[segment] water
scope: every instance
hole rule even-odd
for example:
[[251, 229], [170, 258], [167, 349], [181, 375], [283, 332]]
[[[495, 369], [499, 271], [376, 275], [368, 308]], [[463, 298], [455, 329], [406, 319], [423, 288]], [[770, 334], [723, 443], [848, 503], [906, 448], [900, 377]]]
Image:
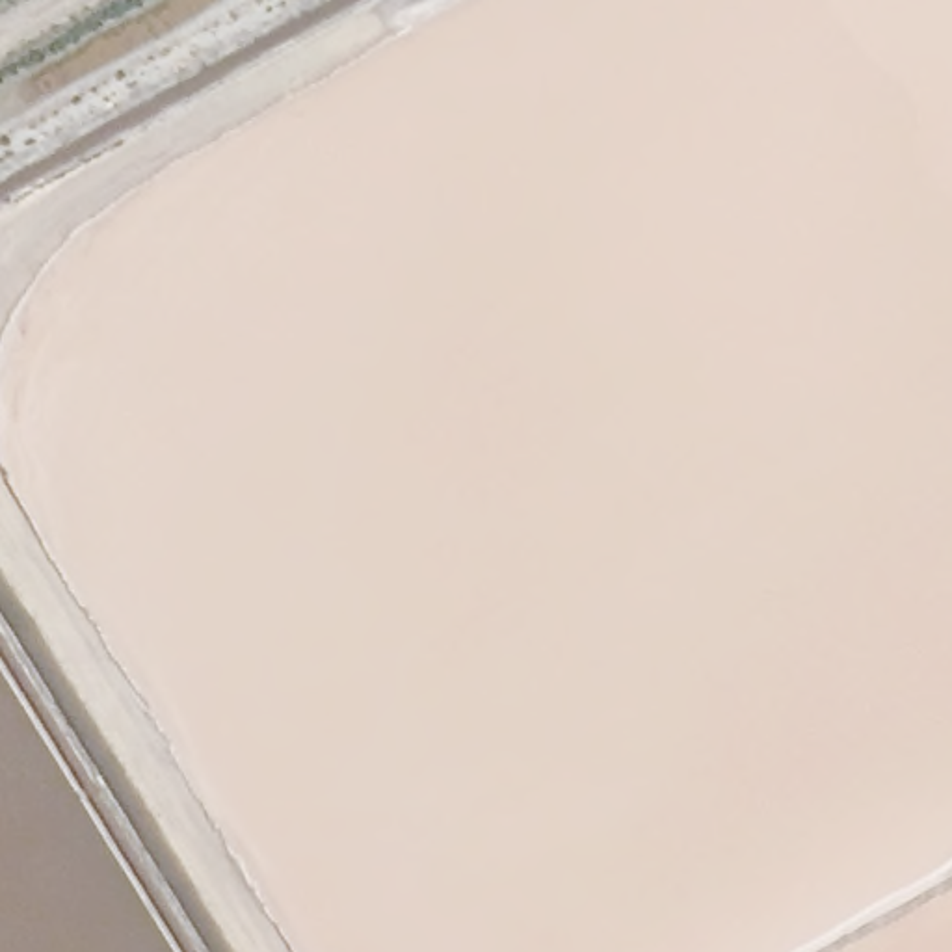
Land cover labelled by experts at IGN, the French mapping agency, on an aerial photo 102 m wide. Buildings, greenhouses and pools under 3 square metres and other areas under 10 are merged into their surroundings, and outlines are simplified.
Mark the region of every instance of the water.
[[182, 863], [167, 848], [160, 826], [152, 822], [149, 807], [141, 803], [138, 788], [130, 785], [126, 770], [119, 766], [115, 751], [100, 736], [71, 681], [63, 677], [60, 662], [52, 658], [41, 628], [33, 625], [33, 617], [0, 573], [0, 614], [19, 636], [26, 658], [33, 662], [37, 677], [56, 699], [63, 721], [71, 725], [82, 751], [112, 788], [115, 803], [130, 818], [138, 840], [152, 855], [156, 870], [171, 885], [175, 900], [182, 904], [186, 919], [193, 922], [208, 952], [231, 952], [208, 907], [201, 904], [193, 881], [186, 878]]
[[874, 919], [818, 952], [952, 952], [952, 893], [930, 900], [926, 907], [904, 915], [893, 926], [885, 919]]
[[108, 19], [97, 33], [86, 33], [78, 45], [45, 56], [26, 71], [26, 93], [41, 100], [45, 93], [104, 67], [108, 60], [126, 56], [130, 48], [182, 26], [216, 0], [156, 0], [145, 11], [134, 7], [119, 19]]
[[156, 89], [149, 100], [112, 112], [100, 126], [63, 141], [48, 156], [0, 179], [0, 205], [11, 201], [19, 190], [63, 171], [67, 164], [93, 156], [112, 138], [156, 119], [171, 104], [223, 82], [238, 67], [249, 67], [271, 48], [346, 15], [361, 0], [320, 0], [275, 22], [271, 30], [249, 37], [234, 52], [201, 63], [197, 71], [179, 71], [179, 78]]
[[402, 41], [390, 41], [379, 52], [357, 45], [353, 52], [346, 52], [350, 63], [338, 67], [331, 82], [320, 82], [320, 74], [305, 78], [301, 97], [283, 97], [283, 104], [271, 115], [171, 164], [149, 186], [108, 205], [93, 219], [86, 238], [67, 238], [67, 245], [41, 268], [33, 290], [11, 312], [11, 324], [0, 342], [0, 368], [7, 402], [4, 465], [22, 502], [30, 506], [52, 558], [60, 562], [60, 573], [71, 573], [78, 588], [104, 595], [119, 628], [141, 647], [141, 655], [171, 669], [167, 692], [175, 695], [197, 740], [197, 755], [208, 770], [212, 788], [227, 803], [216, 814], [216, 822], [223, 826], [227, 844], [242, 863], [249, 885], [260, 893], [283, 933], [290, 933], [298, 952], [788, 952], [792, 945], [822, 933], [855, 907], [878, 900], [896, 885], [907, 885], [911, 878], [926, 874], [930, 866], [952, 855], [952, 0], [461, 0], [431, 19], [420, 19]]
[[0, 952], [167, 952], [0, 681]]

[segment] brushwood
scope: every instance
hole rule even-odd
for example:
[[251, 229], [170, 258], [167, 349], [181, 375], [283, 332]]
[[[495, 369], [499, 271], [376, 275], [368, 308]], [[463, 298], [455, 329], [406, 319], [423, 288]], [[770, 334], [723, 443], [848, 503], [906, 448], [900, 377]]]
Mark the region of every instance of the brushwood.
[[26, 71], [45, 56], [78, 45], [86, 33], [97, 33], [108, 19], [119, 19], [134, 7], [145, 11], [156, 0], [104, 0], [74, 15], [67, 26], [52, 26], [45, 37], [33, 37], [0, 60], [0, 86], [11, 74]]

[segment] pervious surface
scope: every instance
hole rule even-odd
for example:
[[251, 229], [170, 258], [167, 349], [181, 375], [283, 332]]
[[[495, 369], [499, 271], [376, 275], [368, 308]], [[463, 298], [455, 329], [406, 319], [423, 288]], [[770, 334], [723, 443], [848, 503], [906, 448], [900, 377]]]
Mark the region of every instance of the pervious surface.
[[63, 721], [56, 699], [37, 677], [33, 662], [26, 658], [19, 636], [0, 614], [0, 681], [167, 952], [208, 952], [193, 922], [186, 919], [182, 904], [175, 900], [171, 885], [156, 870], [152, 855], [138, 840], [130, 818], [115, 803], [112, 788], [82, 751], [71, 725]]
[[193, 881], [201, 904], [208, 907], [231, 952], [298, 952], [290, 933], [283, 933], [260, 893], [249, 885], [242, 863], [227, 844], [223, 826], [216, 822], [216, 814], [227, 803], [212, 788], [208, 770], [197, 755], [197, 740], [175, 695], [167, 692], [171, 669], [141, 655], [141, 647], [119, 628], [104, 595], [78, 588], [71, 573], [60, 573], [60, 562], [52, 558], [30, 506], [22, 502], [4, 465], [7, 402], [0, 368], [0, 573], [33, 617], [33, 625], [41, 628], [52, 658], [60, 662], [63, 677], [71, 681], [100, 736], [115, 751], [119, 766], [126, 770], [130, 785], [138, 788], [141, 803], [149, 807], [152, 822], [160, 826], [167, 848], [182, 863], [186, 878]]
[[234, 52], [249, 37], [271, 30], [275, 22], [320, 0], [216, 0], [182, 26], [130, 48], [126, 56], [108, 60], [104, 67], [45, 93], [41, 100], [26, 93], [26, 71], [11, 74], [0, 86], [0, 179], [48, 156], [63, 141], [100, 126], [112, 112], [149, 100], [156, 89], [179, 78], [179, 71], [197, 71], [201, 63]]
[[792, 945], [788, 952], [818, 952], [874, 919], [885, 919], [893, 926], [904, 915], [926, 907], [930, 900], [952, 893], [952, 855], [930, 866], [926, 874], [911, 878], [907, 885], [896, 885], [878, 900], [855, 907], [822, 933]]
[[93, 219], [108, 205], [149, 186], [171, 164], [271, 115], [283, 104], [283, 97], [301, 97], [305, 78], [320, 74], [320, 82], [331, 82], [338, 67], [350, 63], [346, 52], [353, 52], [357, 45], [379, 52], [390, 41], [402, 41], [420, 19], [431, 19], [461, 0], [361, 0], [346, 15], [271, 48], [249, 67], [238, 67], [223, 82], [171, 104], [156, 119], [112, 138], [93, 156], [67, 164], [63, 171], [19, 190], [11, 201], [0, 205], [0, 342], [11, 324], [11, 312], [33, 290], [41, 268], [67, 245], [67, 238], [86, 238]]
[[45, 37], [52, 26], [67, 26], [74, 15], [104, 0], [0, 0], [0, 60], [33, 37]]

